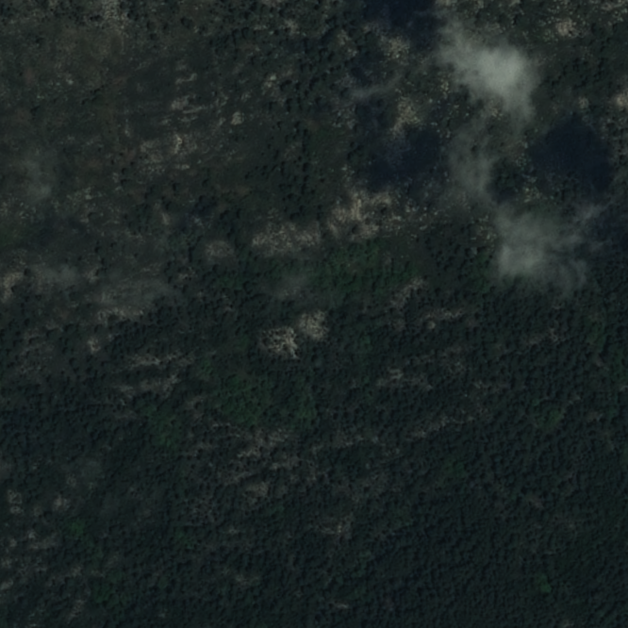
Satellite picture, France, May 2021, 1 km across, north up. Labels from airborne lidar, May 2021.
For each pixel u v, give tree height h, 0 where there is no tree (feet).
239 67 0
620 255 62
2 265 0
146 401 54
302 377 59
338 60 97
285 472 48
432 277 23
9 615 31
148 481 41
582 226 47
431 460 47
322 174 40
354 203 0
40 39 25
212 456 25
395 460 26
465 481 28
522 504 80
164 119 0
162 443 48
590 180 61
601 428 87
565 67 28
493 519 67
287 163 52
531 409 86
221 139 0
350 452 36
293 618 21
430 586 86
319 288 41
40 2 46
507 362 83
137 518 27
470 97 52
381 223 24
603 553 97
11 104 0
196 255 95
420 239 42
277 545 58
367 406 68
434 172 59
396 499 22
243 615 40
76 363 60
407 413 60
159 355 35
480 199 45
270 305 76
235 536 22
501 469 70
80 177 0
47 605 33
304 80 21
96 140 0
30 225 0
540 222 31
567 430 58
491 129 46
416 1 77
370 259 52
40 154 0
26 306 62
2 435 86
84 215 0
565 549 20
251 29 72
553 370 61
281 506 47
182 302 52
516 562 71
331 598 62
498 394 31
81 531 60
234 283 53
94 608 25
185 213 0
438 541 30
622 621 66
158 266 0
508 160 82
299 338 35
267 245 0
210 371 57
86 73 0
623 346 71
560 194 45
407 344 69
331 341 37
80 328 54
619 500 41
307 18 27
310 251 48
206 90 0
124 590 50
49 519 71
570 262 55
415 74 26
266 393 65
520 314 67
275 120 21
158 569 35
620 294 54
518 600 71
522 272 59
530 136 30
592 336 66
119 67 0
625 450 75
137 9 36
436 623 64
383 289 47
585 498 47
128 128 0
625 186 52
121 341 51
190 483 35
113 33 0
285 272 51
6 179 23
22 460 73
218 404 59
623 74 0
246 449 52
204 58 0
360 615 32
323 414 58
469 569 82
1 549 21
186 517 51
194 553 69
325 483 65
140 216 44
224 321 65
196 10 0
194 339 22
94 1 0
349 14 61
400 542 77
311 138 85
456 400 47
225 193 22
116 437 37
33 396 31
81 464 54
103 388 55
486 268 55
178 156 0
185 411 27
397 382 42
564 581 19
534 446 40
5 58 0
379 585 39
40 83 0
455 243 53
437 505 69
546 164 0
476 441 49
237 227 79
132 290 29
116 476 68
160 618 22
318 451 24
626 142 44
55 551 61
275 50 27
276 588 46
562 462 38
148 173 0
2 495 22
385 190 0
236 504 57
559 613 49
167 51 0
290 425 56
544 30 0
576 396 39
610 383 75
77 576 21
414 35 74
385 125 71
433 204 30
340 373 37
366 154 77
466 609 45
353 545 51
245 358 22
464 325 59
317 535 49
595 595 85
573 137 48
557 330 55
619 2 35
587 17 35
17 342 47
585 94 68
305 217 66
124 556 20
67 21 0
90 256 0
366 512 31
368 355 50
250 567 24
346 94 57
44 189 0
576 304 62
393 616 70
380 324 37
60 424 52
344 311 30
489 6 26
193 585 19
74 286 23
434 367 52
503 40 63
